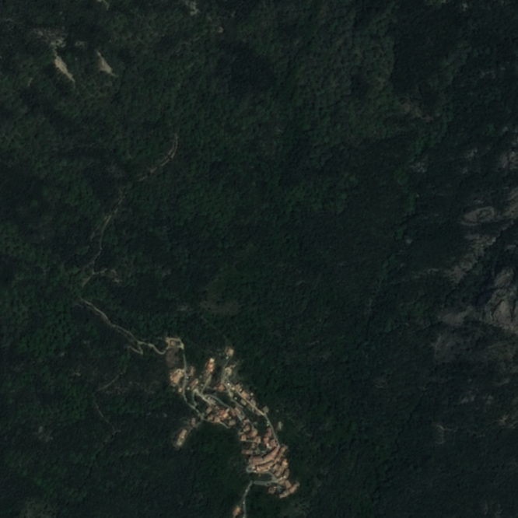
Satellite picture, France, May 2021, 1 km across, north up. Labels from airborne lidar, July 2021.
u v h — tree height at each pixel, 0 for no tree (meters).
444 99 13
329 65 7
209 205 15
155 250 15
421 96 13
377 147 17
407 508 11
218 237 12
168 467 9
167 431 12
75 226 9
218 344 10
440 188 11
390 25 15
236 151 18
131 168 11
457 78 14
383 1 18
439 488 12
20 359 10
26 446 6
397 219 10
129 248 15
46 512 8
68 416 9
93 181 9
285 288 7
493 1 8
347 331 14
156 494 12
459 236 10
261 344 11
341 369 20
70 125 9
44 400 7
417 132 11
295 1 8
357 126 8
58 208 6
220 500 16
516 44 8
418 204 14
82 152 7
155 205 9
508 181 14
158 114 19
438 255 12
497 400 10
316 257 12
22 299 9
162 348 7
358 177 12
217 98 15
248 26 16
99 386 8
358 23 18
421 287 11
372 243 11
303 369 16
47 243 8
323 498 17
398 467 18
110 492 15
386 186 14
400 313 10
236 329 9
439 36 9
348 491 16
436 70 12
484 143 12
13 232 12
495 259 14
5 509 10
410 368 13
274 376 16
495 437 10
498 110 11
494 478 11
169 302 12
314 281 12
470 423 8
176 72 14
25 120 19
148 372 10
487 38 10
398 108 12
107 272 12
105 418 7
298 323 17
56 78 7
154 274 12
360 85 17
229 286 8
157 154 8
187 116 11
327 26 11
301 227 16
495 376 6
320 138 17
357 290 10
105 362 6
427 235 16
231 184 12
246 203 9
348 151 8
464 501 16
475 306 9
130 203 9
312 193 14
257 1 11
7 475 7
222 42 8
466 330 10
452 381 9
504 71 7
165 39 11
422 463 10
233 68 11
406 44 15
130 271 9
